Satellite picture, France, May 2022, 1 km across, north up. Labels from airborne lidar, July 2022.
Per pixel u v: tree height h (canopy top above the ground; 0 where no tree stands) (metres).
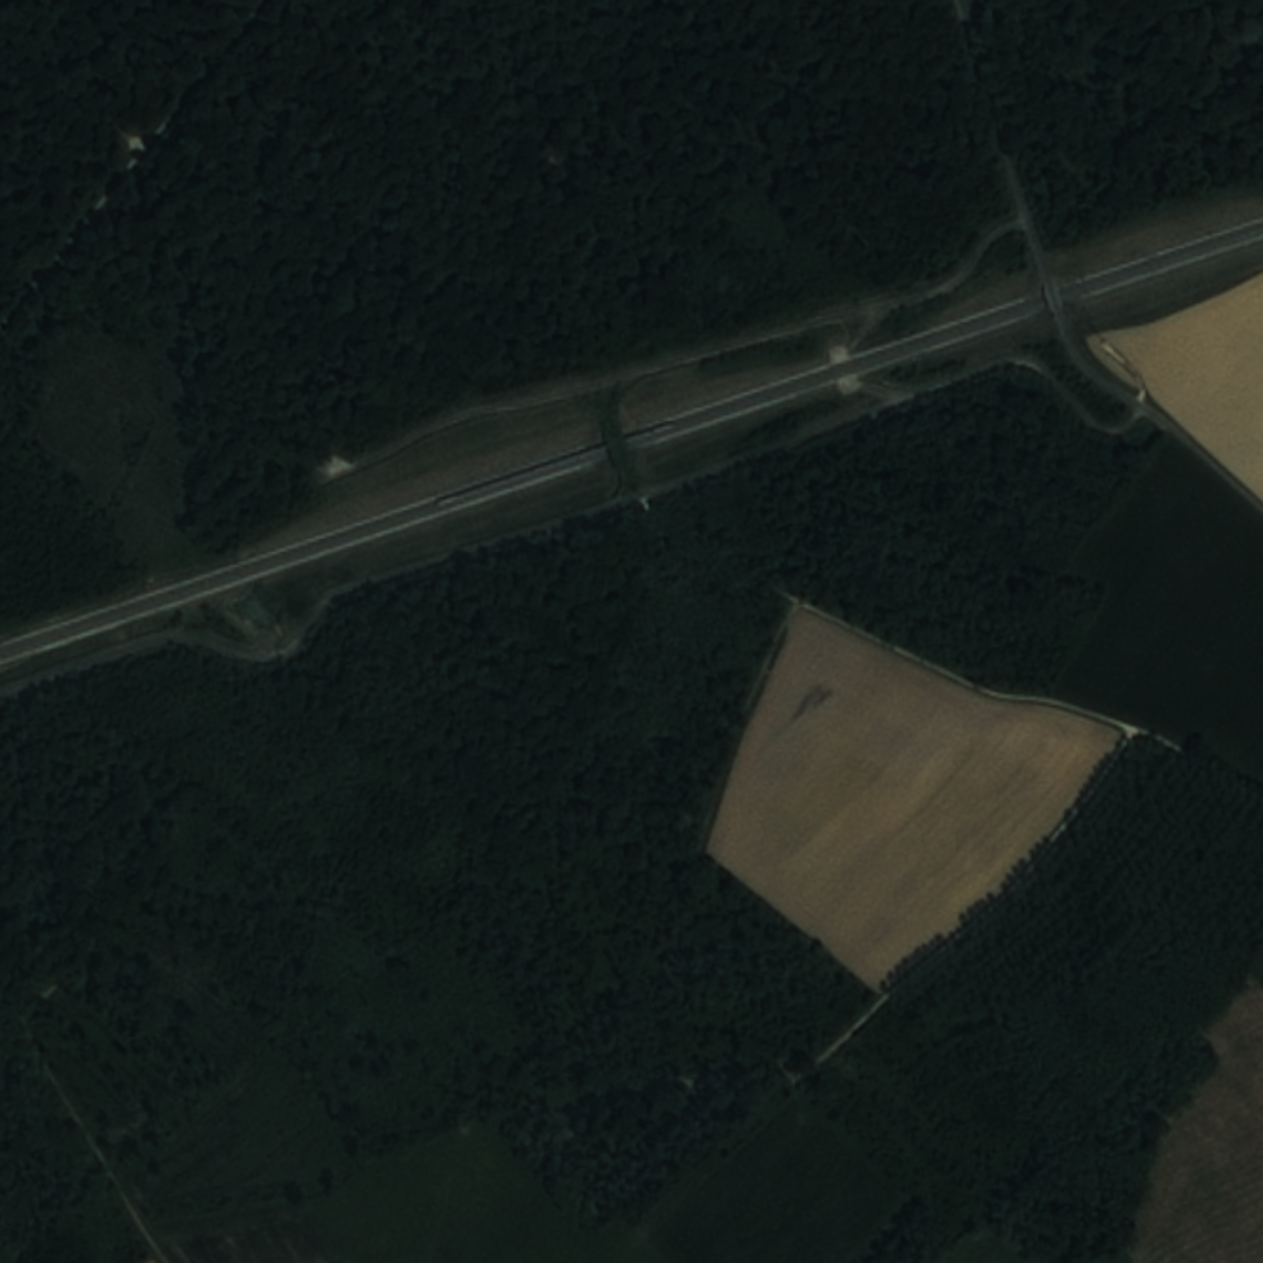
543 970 28
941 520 10
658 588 24
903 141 24
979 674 22
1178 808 28
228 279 23
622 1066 17
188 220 29
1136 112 22
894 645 17
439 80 23
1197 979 23
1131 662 0
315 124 24
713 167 20
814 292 13
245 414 25
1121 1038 20
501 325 29
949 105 22
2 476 16
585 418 0
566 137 23
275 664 8
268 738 15
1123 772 23
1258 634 0
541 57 20
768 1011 12
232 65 18
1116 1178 25
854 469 10
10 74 26
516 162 28
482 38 21
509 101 26
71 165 17
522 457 0
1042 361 9
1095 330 0
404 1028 14
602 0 21
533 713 23
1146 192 21
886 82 23
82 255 22
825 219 27
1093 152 26
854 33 20
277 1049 12
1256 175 17
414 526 0
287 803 16
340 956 15
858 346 0
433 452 0
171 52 26
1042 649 11
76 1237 10
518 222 26
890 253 22
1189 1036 23
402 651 24
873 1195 0
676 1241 0
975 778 0
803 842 0
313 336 29
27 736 13
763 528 18
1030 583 22
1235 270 0
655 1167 21
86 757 16
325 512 0
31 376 20
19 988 27
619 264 22
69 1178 24
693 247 22
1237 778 10
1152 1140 20
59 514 15
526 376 8
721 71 23
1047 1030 20
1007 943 20
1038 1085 21
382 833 15
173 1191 0
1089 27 14
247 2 20
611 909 10
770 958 18
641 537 21
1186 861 26
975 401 11
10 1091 25
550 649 25
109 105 25
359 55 24
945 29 20
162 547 0
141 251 23
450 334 30
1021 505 22
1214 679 0
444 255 25
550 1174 18
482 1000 15
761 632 22
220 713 15
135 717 16
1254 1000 0
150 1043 25
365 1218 0
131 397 0
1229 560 0
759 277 20
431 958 17
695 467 0
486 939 26
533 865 16
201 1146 0
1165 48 29
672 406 0
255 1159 0
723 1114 8
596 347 12
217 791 16
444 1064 14
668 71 25
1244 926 27
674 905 26
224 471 20
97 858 18
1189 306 0
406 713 19
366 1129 13
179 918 24
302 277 23
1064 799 0
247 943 25
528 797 25
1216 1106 0
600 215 23
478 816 27
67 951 25
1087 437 11
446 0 21
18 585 15
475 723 25
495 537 0
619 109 23
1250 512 0
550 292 26
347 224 22
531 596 27
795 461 8
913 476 11
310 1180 0
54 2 27
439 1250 0
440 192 24
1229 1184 0
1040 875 22
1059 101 25
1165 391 0
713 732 10
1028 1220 23
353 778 21
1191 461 0
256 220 25
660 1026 23
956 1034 14
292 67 23
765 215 17
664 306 28
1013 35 19
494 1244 0
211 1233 0
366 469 0
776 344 6
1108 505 22
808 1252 0
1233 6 23
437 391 25
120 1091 28
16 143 25
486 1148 0
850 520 20
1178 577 0
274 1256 0
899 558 19
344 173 26
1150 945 17
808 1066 23
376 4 11
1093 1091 20
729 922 9
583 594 23
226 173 27
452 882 13
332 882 18
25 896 23
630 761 19
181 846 16
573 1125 25
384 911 21
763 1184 0
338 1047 14
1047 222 14
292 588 0
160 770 19
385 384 25
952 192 24
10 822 23
